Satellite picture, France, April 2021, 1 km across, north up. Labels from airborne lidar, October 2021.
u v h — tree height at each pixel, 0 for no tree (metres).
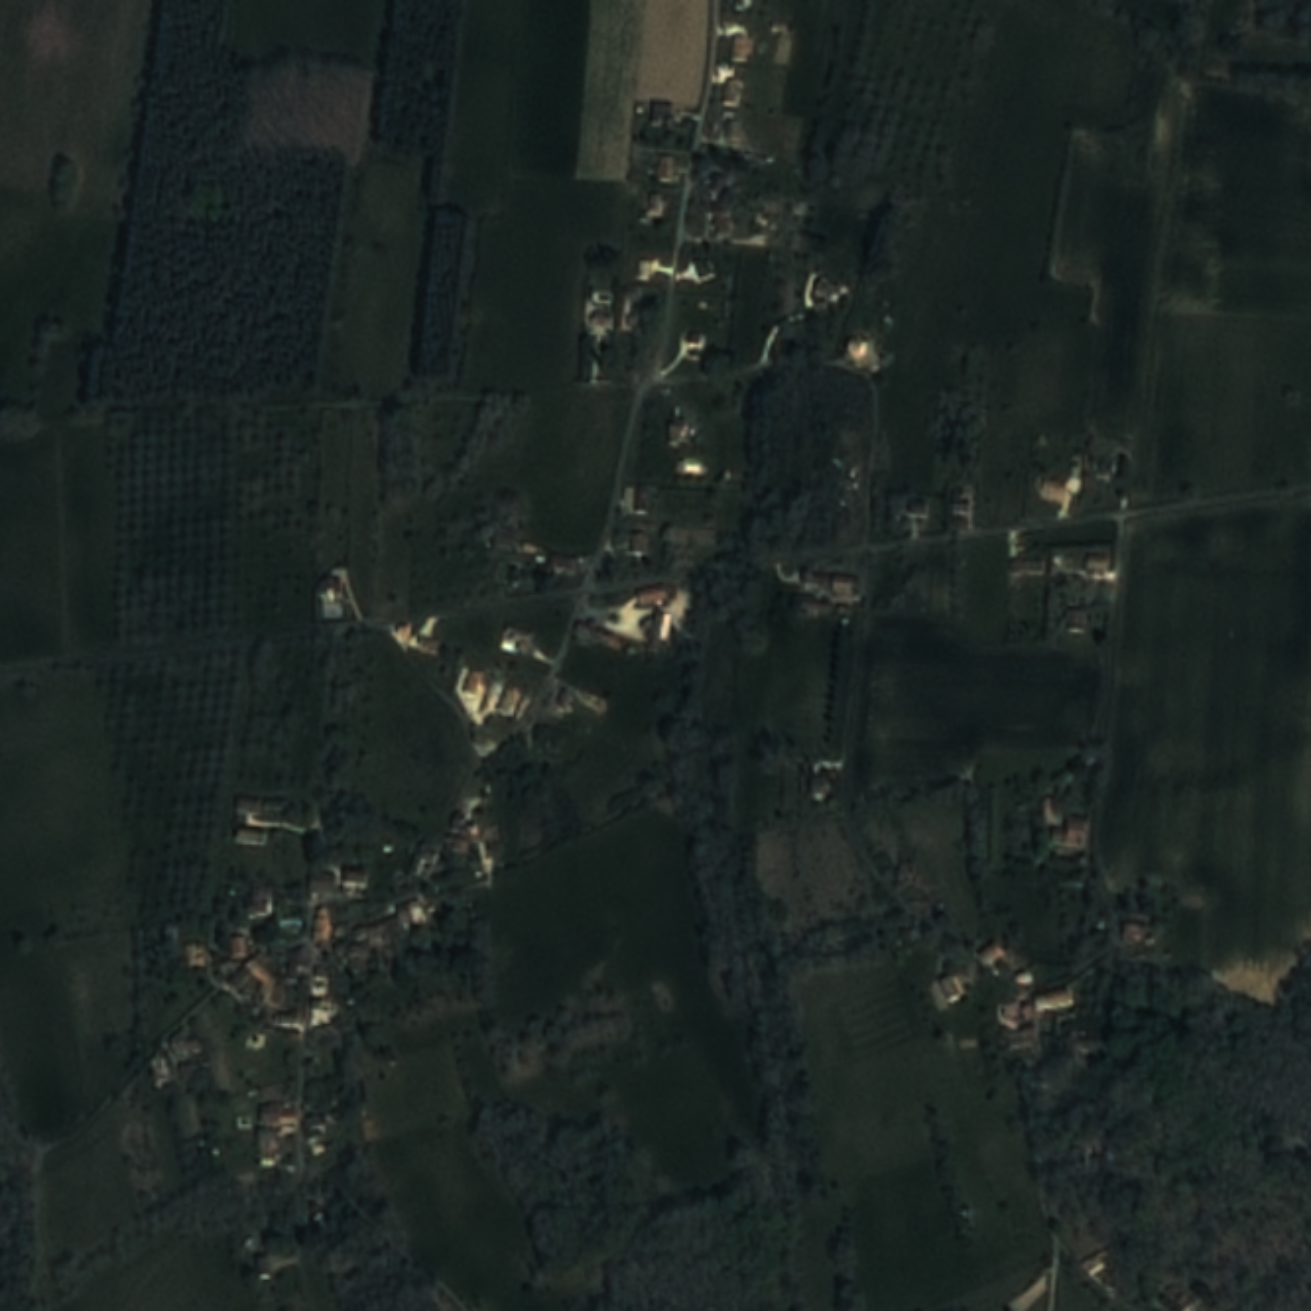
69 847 0
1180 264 0
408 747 0
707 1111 0
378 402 0
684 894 0
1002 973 10
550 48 0
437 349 19
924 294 0
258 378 18
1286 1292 8
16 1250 22
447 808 0
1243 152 0
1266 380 0
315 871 16
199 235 18
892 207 8
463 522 8
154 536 9
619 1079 0
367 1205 6
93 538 0
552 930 0
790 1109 24
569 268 0
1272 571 0
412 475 19
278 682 8
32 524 0
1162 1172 21
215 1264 0
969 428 10
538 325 0
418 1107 0
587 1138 22
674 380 0
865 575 6
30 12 0
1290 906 0
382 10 0
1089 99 0
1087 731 0
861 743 0
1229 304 0
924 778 0
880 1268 0
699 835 16
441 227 18
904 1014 0
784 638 0
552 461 0
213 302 19
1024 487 0
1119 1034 15
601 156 0
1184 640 0
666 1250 27
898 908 6
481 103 0
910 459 0
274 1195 7
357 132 21
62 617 0
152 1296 0
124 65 0
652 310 14
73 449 0
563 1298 0
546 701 6
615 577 13
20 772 0
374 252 6
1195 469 0
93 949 0
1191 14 17
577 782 0
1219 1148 17
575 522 0
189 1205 10
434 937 7
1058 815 14
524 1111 9
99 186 0
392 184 0
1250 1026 17
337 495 0
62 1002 0
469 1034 7
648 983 0
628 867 0
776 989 23
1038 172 0
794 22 0
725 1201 19
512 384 0
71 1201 0
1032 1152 14
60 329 15
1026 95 0
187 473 16
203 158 16
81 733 0
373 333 0
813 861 0
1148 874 0
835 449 16
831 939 13
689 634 14
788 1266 19
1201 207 0
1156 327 0
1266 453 0
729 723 0
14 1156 23
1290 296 0
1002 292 0
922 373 0
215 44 17
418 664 0
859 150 10
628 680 0
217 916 9
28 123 0
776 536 22
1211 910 0
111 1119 0
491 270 0
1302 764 0
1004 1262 0
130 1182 0
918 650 0
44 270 0
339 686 7
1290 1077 21
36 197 0
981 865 12
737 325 0
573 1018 8
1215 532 0
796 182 0
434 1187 0
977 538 0
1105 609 10
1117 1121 22
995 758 0
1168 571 0
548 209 0
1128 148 0
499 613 0
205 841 9
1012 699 0
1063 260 0
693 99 0
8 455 0
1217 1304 15
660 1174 0
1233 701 0
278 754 7
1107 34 0
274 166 17
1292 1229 15
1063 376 0
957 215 0
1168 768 0
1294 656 0
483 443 12
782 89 0
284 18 0
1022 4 0
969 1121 0
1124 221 0
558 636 0
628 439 0
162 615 14
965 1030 0
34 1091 0
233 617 7
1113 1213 22
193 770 8
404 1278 12
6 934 0
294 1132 0
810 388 12
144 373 19
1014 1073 13
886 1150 0
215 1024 0
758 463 15
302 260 16
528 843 0
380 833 19
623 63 0
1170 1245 21
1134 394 0
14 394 0
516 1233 0
